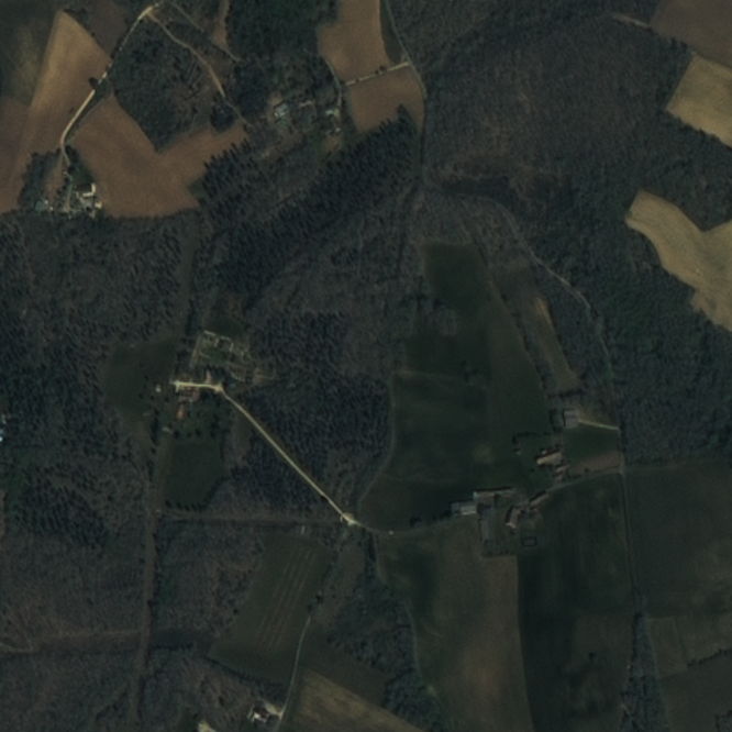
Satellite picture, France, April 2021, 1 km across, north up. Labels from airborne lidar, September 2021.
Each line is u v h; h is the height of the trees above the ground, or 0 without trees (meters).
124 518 8
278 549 0
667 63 19
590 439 0
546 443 0
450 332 20
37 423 12
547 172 21
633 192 18
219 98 11
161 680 16
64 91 0
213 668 16
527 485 0
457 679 0
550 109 14
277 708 14
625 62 14
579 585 0
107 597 14
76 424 17
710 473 0
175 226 13
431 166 16
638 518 0
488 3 7
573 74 18
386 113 0
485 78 10
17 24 0
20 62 0
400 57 0
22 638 13
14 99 0
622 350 9
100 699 18
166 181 0
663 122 19
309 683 0
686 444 20
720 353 19
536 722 0
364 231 8
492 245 12
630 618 0
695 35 0
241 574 9
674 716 0
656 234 0
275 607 0
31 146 0
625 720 6
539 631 0
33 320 13
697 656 0
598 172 17
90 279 13
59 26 0
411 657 13
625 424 20
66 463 14
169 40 8
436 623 0
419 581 0
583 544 0
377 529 0
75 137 0
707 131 0
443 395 0
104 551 12
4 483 14
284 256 19
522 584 0
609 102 19
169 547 16
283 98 14
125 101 13
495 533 0
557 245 9
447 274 0
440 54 12
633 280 18
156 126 9
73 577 10
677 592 0
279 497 17
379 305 15
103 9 0
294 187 16
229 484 13
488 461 0
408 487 0
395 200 7
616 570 0
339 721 0
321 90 20
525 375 0
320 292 12
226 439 14
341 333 13
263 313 15
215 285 7
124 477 8
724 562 0
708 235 0
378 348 13
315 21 17
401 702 13
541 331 0
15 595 11
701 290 0
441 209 17
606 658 0
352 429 10
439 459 0
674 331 24
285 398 5
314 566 0
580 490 0
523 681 0
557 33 15
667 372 26
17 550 18
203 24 0
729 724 13
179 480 0
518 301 0
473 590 0
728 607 0
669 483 0
